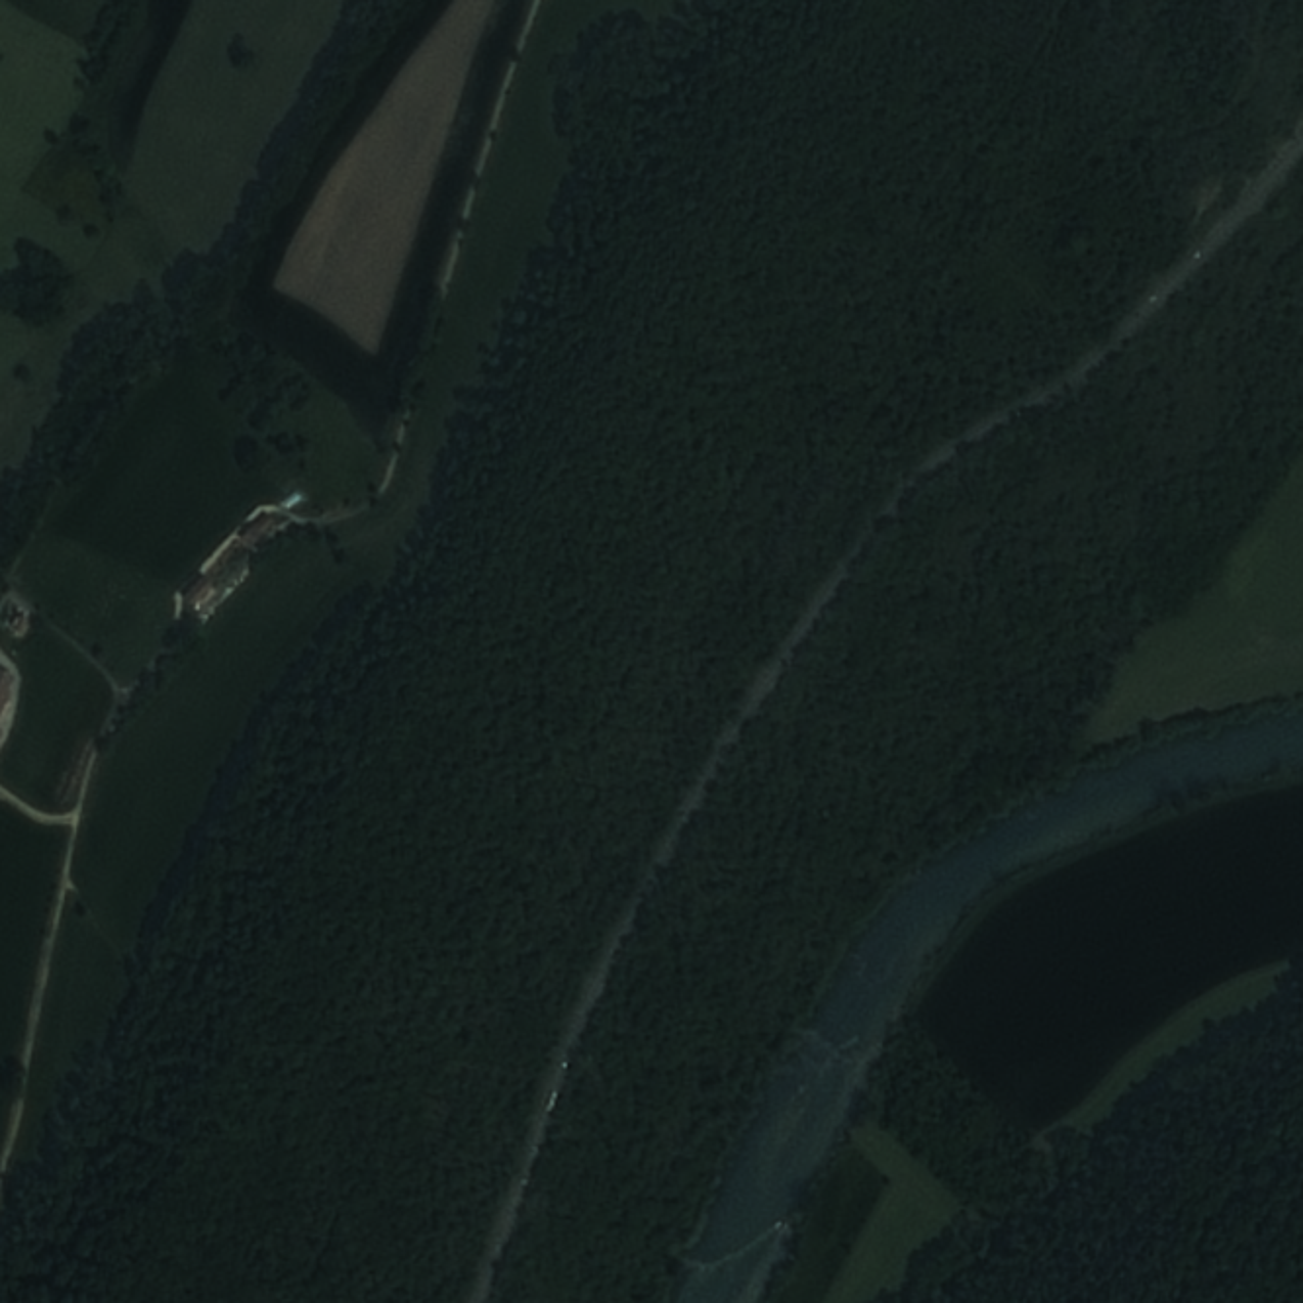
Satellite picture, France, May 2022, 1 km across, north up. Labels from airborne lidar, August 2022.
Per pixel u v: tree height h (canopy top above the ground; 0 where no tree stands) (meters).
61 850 0
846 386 15
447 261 0
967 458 21
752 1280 0
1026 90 8
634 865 16
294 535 14
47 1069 0
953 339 7
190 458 0
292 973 15
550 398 21
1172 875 0
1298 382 21
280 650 0
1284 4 9
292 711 18
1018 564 7
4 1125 0
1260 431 19
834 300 16
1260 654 0
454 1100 17
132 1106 25
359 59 18
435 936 13
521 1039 16
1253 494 19
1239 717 11
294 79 0
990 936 0
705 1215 15
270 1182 19
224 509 0
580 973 12
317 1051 17
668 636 15
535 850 14
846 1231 0
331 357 0
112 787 0
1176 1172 29
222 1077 16
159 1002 19
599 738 17
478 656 13
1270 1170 27
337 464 0
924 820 15
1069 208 10
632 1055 11
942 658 23
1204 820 0
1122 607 19
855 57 11
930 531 17
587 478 11
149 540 0
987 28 8
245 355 21
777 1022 14
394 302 0
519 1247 20
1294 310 13
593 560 15
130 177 0
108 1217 24
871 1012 0
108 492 0
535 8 0
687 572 14
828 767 17
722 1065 22
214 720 0
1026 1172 24
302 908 11
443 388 0
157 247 0
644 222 19
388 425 0
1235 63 10
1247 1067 24
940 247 9
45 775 0
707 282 14
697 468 14
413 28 0
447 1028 16
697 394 15
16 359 0
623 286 15
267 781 28
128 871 0
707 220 11
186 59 0
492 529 16
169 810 0
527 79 0
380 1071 17
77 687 0
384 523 0
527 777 13
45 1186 29
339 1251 19
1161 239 12
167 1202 16
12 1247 29
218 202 0
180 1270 19
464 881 11
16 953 0
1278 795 0
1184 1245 25
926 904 0
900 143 16
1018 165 7
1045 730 33
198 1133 18
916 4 7
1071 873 0
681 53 18
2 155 0
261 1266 17
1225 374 10
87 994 0
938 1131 13
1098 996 0
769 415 16
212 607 0
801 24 17
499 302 0
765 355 16
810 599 11
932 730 13
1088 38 11
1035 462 15
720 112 18
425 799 12
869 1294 0
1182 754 0
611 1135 18
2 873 0
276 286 0
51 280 22
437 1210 15
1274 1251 29
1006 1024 0
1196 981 0
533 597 9
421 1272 15
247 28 0
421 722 13
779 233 14
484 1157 18
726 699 12
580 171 21
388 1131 17
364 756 21
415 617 22
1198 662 0
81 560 0
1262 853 0
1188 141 8
